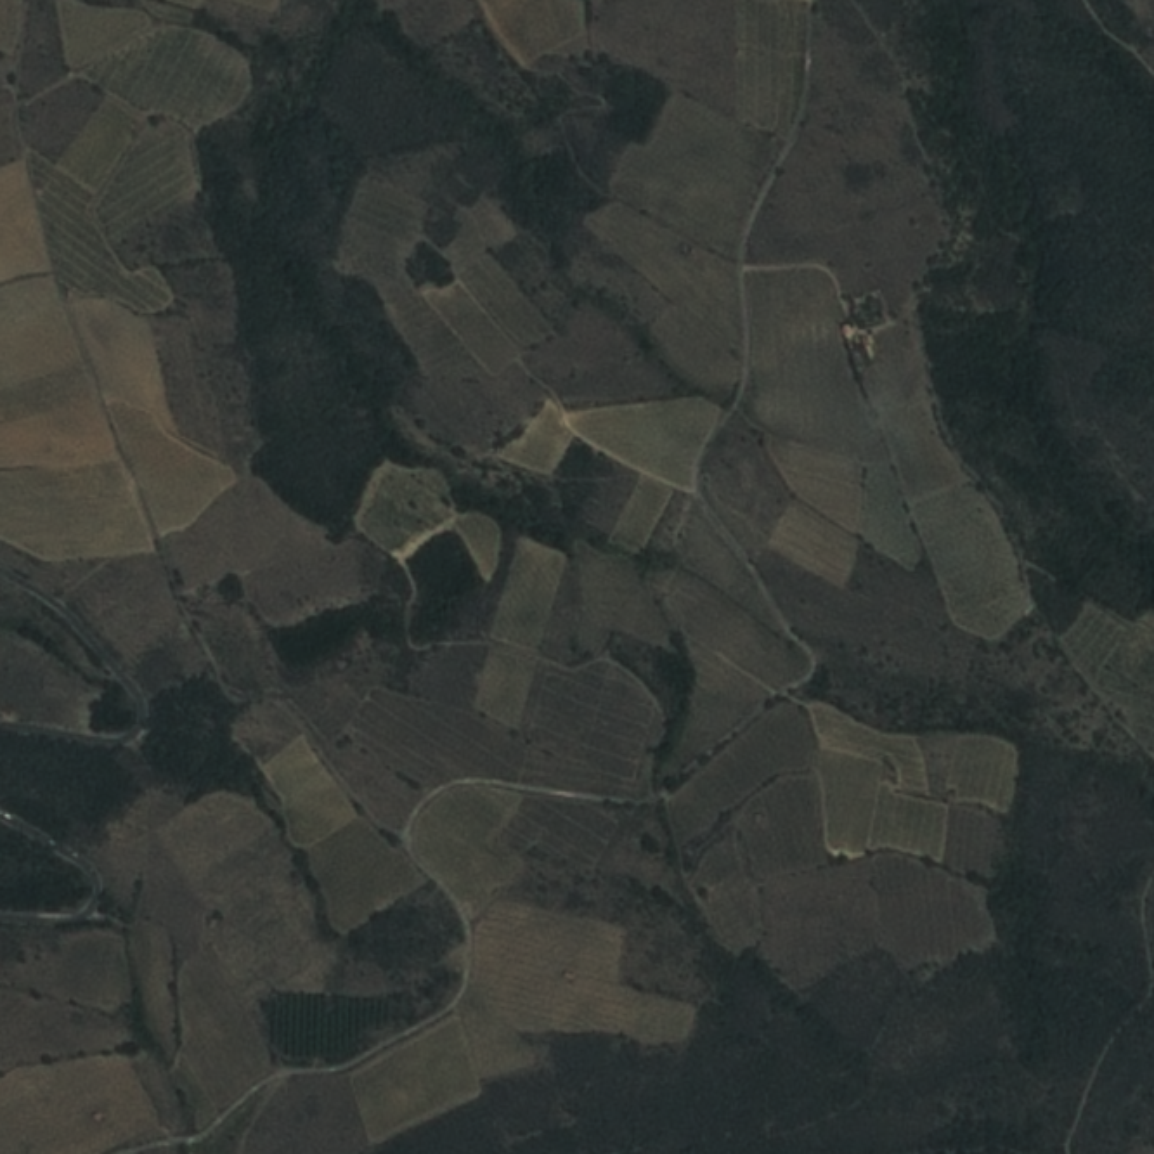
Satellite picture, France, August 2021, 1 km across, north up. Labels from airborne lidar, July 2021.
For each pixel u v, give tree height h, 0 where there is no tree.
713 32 0
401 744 0
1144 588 10
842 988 0
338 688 0
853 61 0
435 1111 0
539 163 9
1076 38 7
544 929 0
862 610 0
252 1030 0
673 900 7
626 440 0
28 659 0
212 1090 0
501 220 0
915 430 0
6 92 0
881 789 0
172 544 0
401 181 0
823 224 0
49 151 0
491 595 0
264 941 0
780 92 0
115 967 0
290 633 8
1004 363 9
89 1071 0
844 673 0
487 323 0
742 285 0
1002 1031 0
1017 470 8
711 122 0
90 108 0
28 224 0
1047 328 6
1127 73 10
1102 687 0
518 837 0
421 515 0
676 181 0
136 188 0
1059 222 6
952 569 0
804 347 0
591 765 0
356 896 0
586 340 0
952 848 0
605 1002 0
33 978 0
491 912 0
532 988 0
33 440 0
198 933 0
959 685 0
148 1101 0
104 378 0
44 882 7
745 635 0
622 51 0
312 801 0
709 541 0
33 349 0
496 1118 0
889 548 0
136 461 0
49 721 0
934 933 0
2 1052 0
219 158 6
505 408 0
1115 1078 0
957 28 7
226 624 0
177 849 0
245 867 0
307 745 0
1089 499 7
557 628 0
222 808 0
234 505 0
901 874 0
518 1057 0
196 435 0
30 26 0
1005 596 0
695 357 0
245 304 6
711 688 0
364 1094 0
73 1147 0
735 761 0
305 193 6
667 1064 0
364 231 0
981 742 0
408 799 0
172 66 0
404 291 0
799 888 0
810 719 0
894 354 0
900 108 0
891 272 0
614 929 0
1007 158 8
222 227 9
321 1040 8
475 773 0
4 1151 0
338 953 0
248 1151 0
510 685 0
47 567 0
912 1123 0
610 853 0
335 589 0
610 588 0
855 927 0
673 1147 0
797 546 0
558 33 0
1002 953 6
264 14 0
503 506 14
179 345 0
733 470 0
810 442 0
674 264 0
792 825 0
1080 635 0
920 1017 0
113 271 0
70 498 0
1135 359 7
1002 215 8
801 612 0
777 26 0
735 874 0
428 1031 0
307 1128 0
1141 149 6
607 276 0
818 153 0
